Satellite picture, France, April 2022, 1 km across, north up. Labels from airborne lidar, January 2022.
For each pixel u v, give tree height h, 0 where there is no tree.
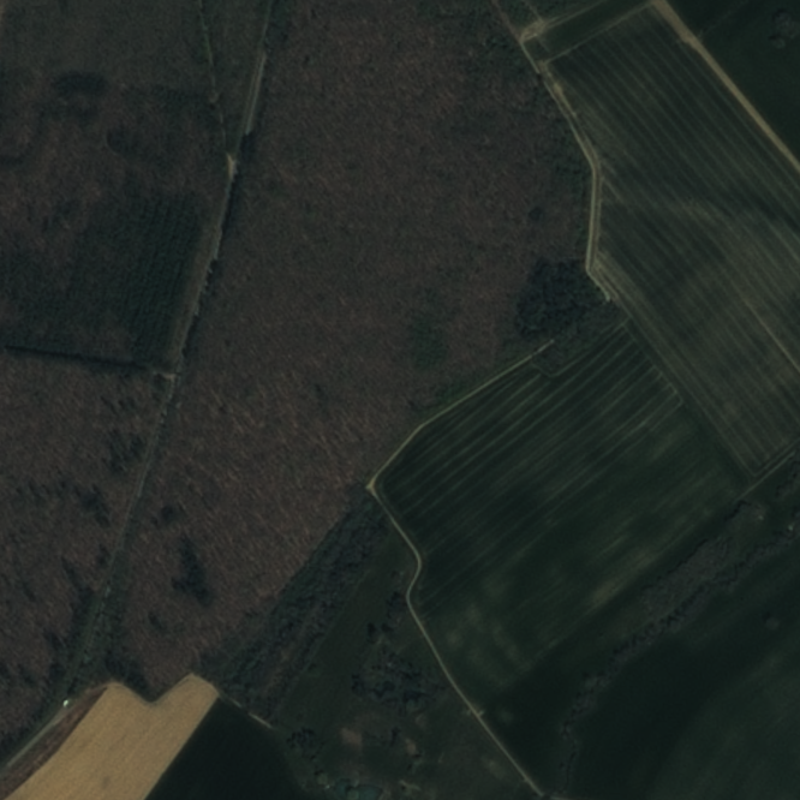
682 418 0
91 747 0
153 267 18
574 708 0
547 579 0
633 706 0
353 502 22
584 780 0
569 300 27
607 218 0
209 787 0
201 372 17
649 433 0
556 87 0
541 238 17
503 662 0
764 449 0
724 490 0
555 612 0
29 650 21
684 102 0
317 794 0
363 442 22
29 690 19
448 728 0
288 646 26
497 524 0
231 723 0
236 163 0
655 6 0
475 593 0
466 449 0
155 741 0
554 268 19
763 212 0
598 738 0
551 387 0
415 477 0
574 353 19
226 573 22
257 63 15
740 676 0
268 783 0
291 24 16
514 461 0
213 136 16
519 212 19
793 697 0
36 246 15
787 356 0
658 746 0
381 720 0
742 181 0
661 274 0
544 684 0
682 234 0
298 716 0
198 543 23
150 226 19
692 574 13
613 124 0
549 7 14
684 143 0
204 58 14
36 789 0
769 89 0
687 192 0
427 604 0
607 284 0
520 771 0
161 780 0
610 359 0
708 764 0
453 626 0
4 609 20
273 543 24
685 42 0
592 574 0
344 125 17
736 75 0
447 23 15
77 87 15
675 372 0
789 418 0
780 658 0
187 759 0
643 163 0
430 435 0
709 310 0
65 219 17
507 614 0
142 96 17
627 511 0
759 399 0
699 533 0
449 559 0
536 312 20
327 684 0
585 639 0
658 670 0
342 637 0
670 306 0
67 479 20
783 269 0
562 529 0
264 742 0
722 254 0
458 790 0
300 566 18
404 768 0
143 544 16
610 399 0
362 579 16
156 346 18
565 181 16
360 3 17
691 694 0
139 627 21
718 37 0
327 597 22
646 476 0
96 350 17
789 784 0
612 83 0
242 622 23
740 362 0
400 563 0
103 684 14
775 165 0
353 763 0
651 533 0
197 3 13
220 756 0
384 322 19
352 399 18
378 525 23
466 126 14
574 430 0
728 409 0
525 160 21
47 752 18
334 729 0
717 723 0
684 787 0
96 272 17
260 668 16
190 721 0
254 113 0
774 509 0
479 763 0
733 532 14
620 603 0
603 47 0
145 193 17
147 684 22
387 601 0
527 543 0
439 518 0
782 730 0
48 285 17
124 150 16
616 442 0
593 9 0
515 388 0
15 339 17
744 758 0
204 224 18
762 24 0
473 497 0
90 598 22
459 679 0
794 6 0
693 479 0
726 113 0
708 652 0
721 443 0
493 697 0
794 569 0
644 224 0
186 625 23
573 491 0
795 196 0
